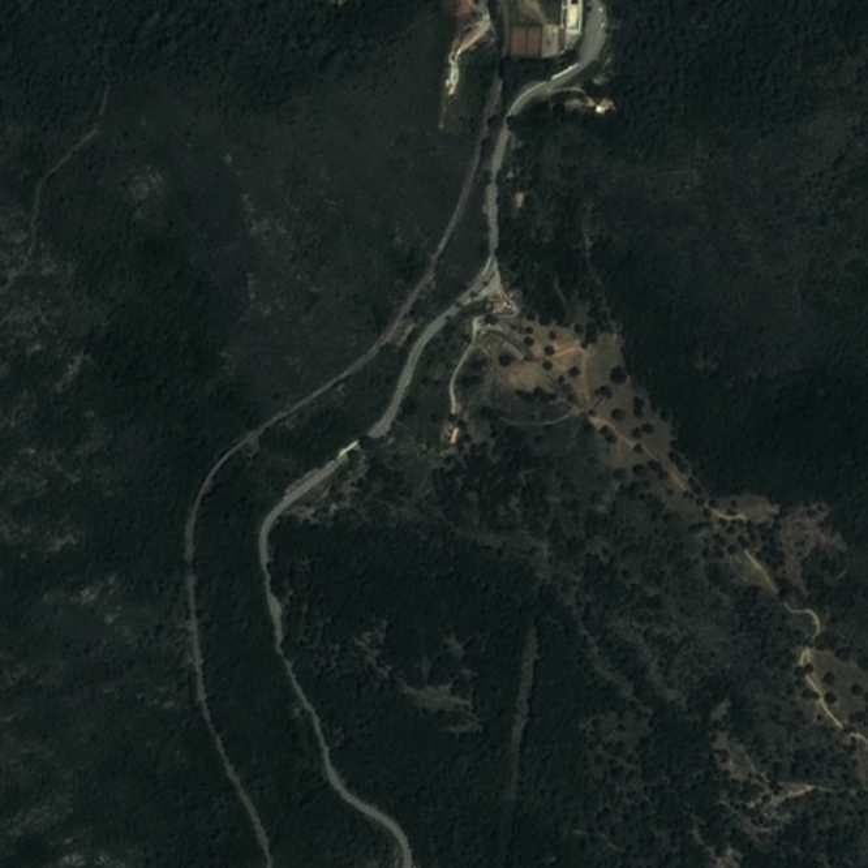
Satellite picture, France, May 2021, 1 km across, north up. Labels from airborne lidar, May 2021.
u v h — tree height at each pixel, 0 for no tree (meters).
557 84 0
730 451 14
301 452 7
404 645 20
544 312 10
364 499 7
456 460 14
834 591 16
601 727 21
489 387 0
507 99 7
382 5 10
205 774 14
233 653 22
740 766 0
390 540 13
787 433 18
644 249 6
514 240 13
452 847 20
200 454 20
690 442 11
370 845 12
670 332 12
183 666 16
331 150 0
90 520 9
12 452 6
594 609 19
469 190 0
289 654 16
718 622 6
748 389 9
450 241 0
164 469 24
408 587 14
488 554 21
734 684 8
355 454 16
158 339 9
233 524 16
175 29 11
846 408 14
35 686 9
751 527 11
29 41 14
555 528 12
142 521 9
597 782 9
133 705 8
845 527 8
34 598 10
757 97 14
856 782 16
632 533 7
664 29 17
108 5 15
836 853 16
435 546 8
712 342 9
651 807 21
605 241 12
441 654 15
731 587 9
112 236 8
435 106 0
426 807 21
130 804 8
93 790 9
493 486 10
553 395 8
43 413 10
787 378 7
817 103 11
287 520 12
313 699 12
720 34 8
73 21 9
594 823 8
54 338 8
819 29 21
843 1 9
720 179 6
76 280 7
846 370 11
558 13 0
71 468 7
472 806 9
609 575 11
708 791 18
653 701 17
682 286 6
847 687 0
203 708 10
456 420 10
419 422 0
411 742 16
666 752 7
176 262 9
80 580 6
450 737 20
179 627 18
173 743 7
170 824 8
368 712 19
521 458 11
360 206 0
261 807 13
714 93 18
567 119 13
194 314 7
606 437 15
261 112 8
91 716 7
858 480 14
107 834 7
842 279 6
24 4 27
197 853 11
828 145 0
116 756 6
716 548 8
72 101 11
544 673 15
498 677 15
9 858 9
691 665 6
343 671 15
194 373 7
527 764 9
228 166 0
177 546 5
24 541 8
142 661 7
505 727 19
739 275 9
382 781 20
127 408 20
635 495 9
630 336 10
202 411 7
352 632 18
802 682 11
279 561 16
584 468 0
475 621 11
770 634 14
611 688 14
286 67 12
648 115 16
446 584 17
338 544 17
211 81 7
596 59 0
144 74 10
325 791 18
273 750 14
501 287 0
